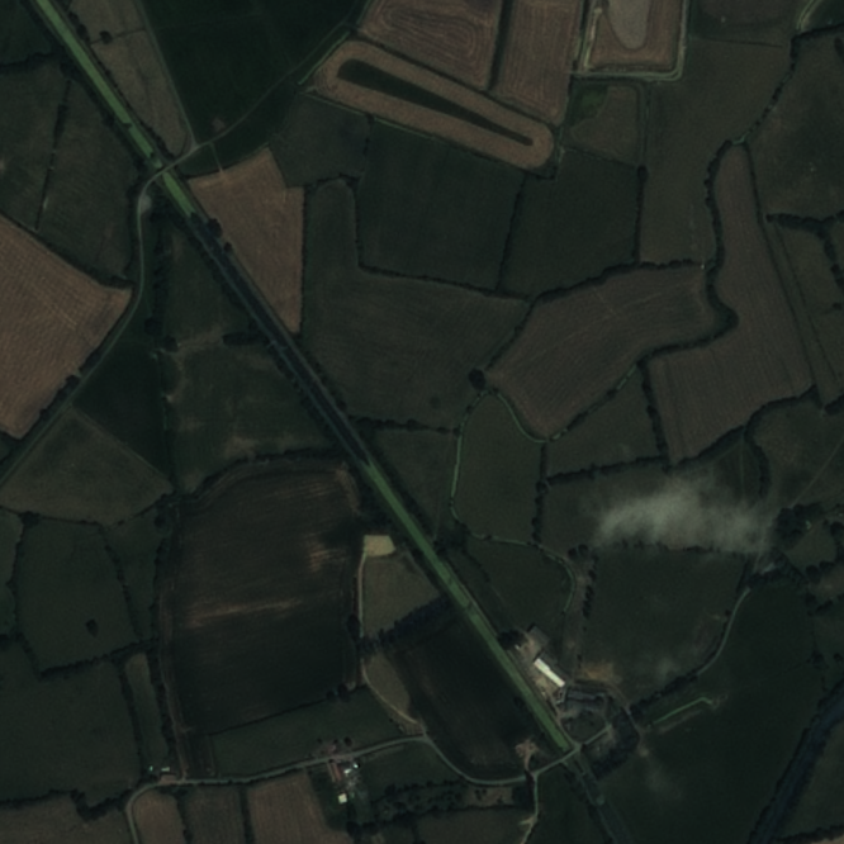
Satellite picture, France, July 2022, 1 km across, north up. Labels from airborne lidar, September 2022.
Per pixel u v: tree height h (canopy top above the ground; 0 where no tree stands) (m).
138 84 0
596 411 0
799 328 0
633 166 0
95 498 0
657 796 0
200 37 0
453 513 0
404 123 0
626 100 0
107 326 0
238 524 0
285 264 0
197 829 0
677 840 0
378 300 0
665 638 0
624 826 0
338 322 0
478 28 0
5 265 0
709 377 0
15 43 0
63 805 0
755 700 0
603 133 0
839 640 0
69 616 0
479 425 0
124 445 0
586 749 9
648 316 0
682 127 0
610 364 0
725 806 0
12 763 0
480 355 0
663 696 9
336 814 0
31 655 9
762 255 0
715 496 0
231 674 0
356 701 0
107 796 0
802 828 0
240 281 0
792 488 0
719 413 0
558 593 0
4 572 0
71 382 7
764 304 0
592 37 0
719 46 0
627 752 16
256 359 0
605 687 0
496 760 0
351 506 0
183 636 0
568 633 0
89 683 0
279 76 0
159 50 0
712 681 0
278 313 0
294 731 0
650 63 0
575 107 0
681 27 0
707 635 0
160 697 9
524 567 0
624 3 0
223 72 0
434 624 28
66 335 0
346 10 0
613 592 0
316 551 0
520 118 0
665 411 0
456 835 0
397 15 0
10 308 0
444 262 0
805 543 0
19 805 11
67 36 0
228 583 0
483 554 0
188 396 0
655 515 0
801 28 0
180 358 0
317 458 7
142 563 0
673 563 0
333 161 0
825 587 0
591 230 0
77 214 0
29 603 0
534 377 0
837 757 0
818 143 0
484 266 0
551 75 0
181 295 0
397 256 0
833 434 0
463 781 6
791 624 0
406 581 0
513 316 0
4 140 0
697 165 0
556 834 0
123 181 0
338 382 0
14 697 0
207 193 0
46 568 0
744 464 0
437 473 0
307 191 6
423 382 0
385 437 0
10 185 0
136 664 0
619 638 0
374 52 0
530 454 0
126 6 0
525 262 0
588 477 8
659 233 0
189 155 0
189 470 0
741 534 0
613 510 0
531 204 0
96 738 0
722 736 0
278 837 0
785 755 0
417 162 0
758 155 0
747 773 0
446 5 0
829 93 0
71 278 0
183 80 0
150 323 11
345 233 0
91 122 0
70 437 0
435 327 0
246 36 0
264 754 0
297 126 0
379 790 0
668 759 0
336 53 0
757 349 0
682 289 0
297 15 0
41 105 0
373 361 0
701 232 0
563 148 0
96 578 0
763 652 0
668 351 7
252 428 0
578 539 0
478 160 0
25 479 0
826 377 0
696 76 0
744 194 0
